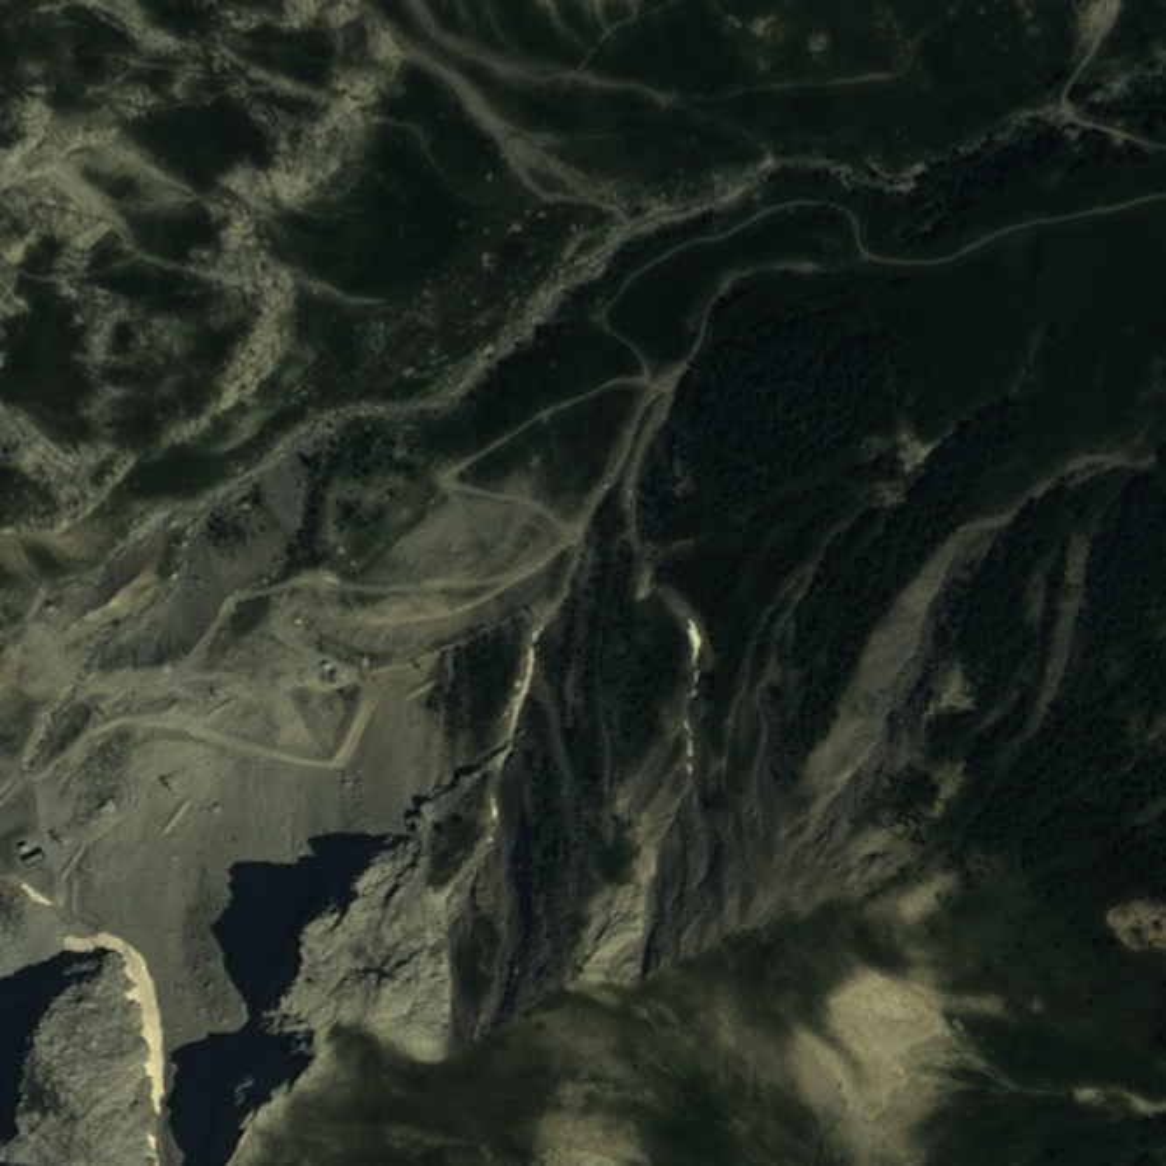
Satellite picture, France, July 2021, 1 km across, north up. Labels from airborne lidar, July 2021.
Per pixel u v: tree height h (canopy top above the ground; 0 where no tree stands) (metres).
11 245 0
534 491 0
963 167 11
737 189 0
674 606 0
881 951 0
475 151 0
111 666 0
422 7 0
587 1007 0
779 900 0
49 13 0
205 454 0
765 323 11
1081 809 7
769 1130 0
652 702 10
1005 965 0
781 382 19
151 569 0
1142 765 12
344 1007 0
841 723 0
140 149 0
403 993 0
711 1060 0
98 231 0
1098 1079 0
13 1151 0
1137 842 6
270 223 0
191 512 0
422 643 0
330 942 0
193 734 0
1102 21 0
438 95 0
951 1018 0
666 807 0
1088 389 0
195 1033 0
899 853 0
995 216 0
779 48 0
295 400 0
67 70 0
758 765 0
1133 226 0
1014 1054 0
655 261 0
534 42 0
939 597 0
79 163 0
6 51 0
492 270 0
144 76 0
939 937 0
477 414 0
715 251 0
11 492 0
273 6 0
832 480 6
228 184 0
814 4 0
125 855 0
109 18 0
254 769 0
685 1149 0
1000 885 0
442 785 0
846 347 12
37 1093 0
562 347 0
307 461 10
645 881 0
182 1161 0
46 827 0
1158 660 11
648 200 0
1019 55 0
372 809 0
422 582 0
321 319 0
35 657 0
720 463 12
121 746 0
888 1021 0
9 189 0
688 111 0
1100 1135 0
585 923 0
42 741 0
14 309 0
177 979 0
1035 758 10
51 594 0
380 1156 0
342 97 0
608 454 0
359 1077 0
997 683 15
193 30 0
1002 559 8
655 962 0
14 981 0
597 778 13
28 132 0
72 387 0
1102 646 9
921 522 15
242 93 0
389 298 0
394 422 0
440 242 0
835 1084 0
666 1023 0
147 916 0
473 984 0
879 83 0
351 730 0
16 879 0
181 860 0
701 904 0
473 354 0
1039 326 0
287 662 0
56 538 0
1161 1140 0
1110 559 15
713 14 0
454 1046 0
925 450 0
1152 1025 0
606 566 6
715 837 0
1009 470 0
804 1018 0
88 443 0
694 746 0
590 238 0
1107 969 0
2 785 0
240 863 0
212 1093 0
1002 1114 0
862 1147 0
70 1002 0
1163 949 0
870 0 0
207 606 0
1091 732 9
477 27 0
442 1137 0
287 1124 0
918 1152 0
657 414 0
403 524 0
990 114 0
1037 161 18
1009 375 0
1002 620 12
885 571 8
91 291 0
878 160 0
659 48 0
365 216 0
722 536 0
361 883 0
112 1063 0
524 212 0
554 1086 0
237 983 0
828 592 6
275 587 0
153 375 0
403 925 0
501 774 0
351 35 0
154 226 0
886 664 0
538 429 0
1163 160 0
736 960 0
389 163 0
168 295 0
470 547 0
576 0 0
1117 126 0
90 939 0
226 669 0
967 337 0
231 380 0
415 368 0
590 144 0
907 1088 0
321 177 0
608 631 6
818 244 0
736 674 6
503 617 0
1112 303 0
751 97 0
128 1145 0
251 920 0
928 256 0
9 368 0
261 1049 0
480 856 0
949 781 0
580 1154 0
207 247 0
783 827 0
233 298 0
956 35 0
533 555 0
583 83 0
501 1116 0
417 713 0
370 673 0
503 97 0
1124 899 0
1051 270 0
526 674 0
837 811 0
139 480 0
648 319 0
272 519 0
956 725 13
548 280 0
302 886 0
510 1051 0
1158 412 0
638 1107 0
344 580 0
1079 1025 0
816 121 0
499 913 0
